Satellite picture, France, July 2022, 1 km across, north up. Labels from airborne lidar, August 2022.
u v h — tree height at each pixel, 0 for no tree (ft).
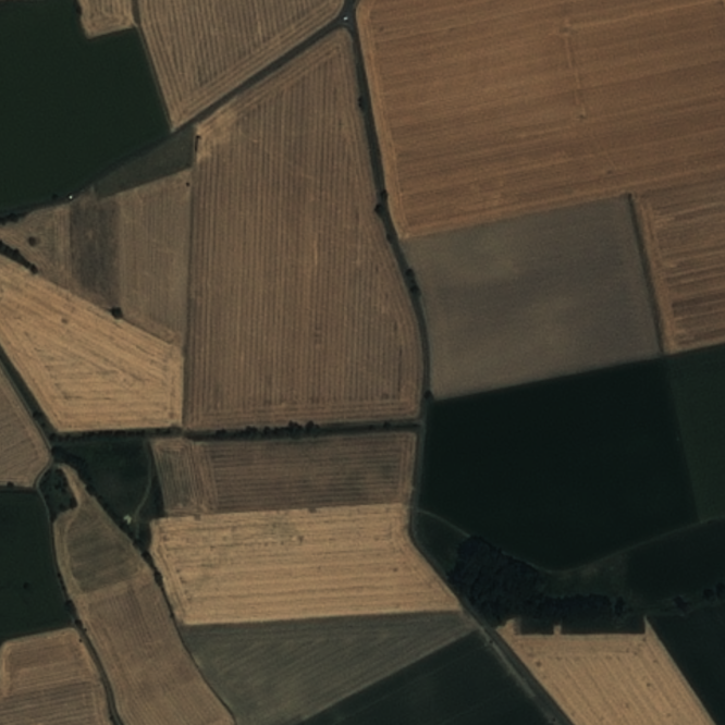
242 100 0
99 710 0
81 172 0
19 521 0
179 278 0
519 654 0
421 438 0
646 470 0
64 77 0
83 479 29
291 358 0
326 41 0
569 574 0
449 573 0
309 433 37
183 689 0
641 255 0
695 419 0
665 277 0
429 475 0
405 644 0
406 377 0
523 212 0
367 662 0
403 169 0
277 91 0
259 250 0
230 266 0
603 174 0
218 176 0
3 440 0
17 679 0
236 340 0
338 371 0
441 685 0
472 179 0
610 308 0
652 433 0
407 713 0
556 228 0
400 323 0
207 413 0
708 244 0
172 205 0
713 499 0
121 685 0
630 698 0
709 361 0
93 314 0
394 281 0
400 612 0
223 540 0
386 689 0
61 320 0
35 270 24
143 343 0
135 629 0
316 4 0
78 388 0
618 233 0
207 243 0
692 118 0
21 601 0
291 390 0
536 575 83
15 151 0
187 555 0
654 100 0
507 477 0
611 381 0
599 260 0
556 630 0
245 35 0
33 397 0
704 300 0
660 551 0
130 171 0
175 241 0
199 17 0
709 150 0
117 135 0
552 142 0
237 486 0
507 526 0
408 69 0
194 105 0
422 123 0
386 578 0
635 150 0
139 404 0
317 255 0
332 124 0
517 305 0
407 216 0
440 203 0
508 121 0
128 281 0
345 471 0
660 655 0
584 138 0
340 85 0
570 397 0
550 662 0
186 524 0
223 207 0
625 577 0
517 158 0
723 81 0
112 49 0
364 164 0
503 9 0
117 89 0
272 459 0
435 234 0
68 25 0
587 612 84
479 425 0
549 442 0
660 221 0
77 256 0
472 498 0
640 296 0
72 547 0
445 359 0
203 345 0
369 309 0
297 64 0
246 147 0
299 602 0
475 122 0
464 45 0
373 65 0
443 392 0
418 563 0
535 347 0
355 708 0
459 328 0
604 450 0
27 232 0
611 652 0
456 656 0
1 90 0
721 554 0
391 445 0
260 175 0
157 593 0
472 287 0
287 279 0
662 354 0
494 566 80
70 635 0
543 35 0
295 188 0
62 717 0
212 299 0
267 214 0
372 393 0
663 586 0
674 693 0
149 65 0
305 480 0
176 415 0
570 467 0
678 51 0
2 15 0
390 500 0
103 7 0
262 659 0
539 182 0
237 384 0
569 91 0
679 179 0
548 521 0
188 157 0
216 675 0
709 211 0
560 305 0
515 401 0
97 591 0
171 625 0
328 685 0
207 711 0
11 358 0
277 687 0
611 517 0
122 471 0
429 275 0
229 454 0
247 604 0
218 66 0
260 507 0
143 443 0
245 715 0
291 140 0
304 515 0
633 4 0
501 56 0
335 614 0
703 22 0
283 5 0
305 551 0
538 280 0
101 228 0
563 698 0
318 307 0
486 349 0
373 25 0
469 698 0
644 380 0
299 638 0
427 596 0
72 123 0
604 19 0
